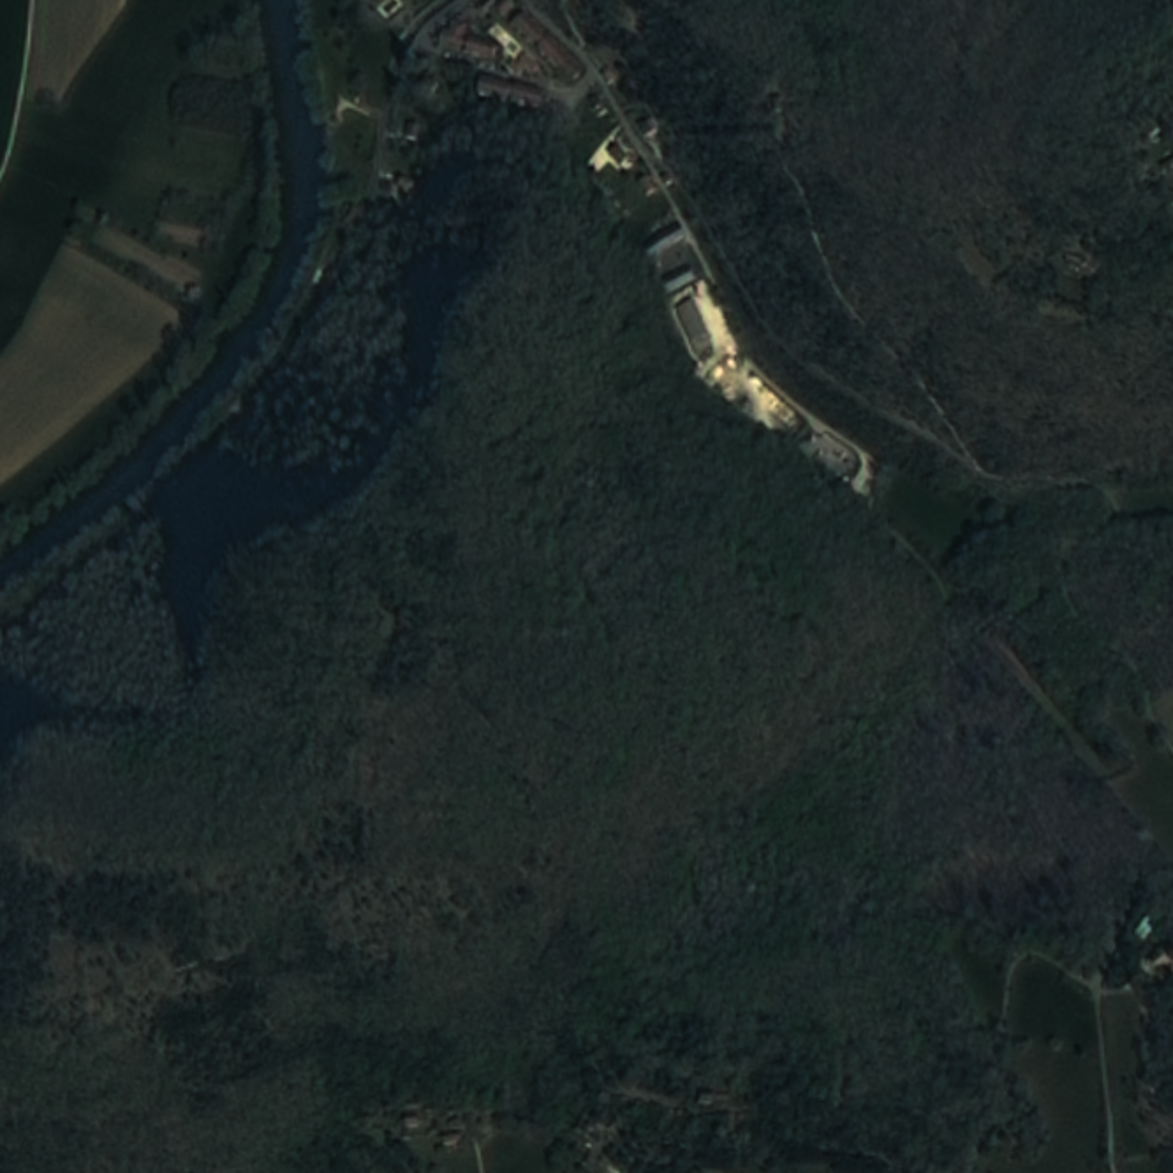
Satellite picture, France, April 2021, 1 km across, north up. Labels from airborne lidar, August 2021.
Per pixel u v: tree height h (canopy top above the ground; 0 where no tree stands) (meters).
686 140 13
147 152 0
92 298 0
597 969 10
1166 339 10
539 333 20
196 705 20
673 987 15
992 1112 23
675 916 23
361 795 10
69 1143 12
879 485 17
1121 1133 7
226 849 13
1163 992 17
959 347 15
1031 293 7
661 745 17
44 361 0
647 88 12
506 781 10
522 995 15
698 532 17
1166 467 12
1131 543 19
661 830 18
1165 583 15
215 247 11
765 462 20
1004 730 19
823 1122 15
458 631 19
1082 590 14
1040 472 13
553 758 14
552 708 18
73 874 11
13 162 0
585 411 18
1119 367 10
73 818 16
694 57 11
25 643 15
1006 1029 6
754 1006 17
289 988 16
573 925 9
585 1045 10
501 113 20
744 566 15
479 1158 0
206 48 27
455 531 20
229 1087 16
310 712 17
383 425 22
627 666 20
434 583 14
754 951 18
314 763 15
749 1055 17
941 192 13
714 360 0
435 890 8
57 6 0
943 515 0
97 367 0
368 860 7
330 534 14
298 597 14
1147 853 18
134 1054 11
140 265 10
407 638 12
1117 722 0
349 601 13
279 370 13
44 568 19
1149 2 15
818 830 17
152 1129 10
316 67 13
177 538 15
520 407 22
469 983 17
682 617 17
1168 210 13
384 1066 12
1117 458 14
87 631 22
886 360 13
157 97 0
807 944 20
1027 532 16
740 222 14
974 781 20
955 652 20
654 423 22
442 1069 15
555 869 7
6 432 0
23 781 6
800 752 16
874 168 12
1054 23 15
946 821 15
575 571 21
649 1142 7
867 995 18
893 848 20
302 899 9
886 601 13
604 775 17
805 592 16
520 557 19
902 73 14
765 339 9
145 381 0
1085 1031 0
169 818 14
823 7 20
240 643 10
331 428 16
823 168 11
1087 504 19
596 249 20
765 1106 13
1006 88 12
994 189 11
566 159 21
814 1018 18
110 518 18
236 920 11
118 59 0
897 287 13
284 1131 14
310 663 16
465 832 12
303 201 0
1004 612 20
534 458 21
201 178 0
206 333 37
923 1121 10
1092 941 20
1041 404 13
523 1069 14
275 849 12
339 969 13
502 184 9
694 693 17
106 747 15
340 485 19
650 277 20
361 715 11
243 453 21
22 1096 12
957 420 10
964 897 11
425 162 20
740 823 22
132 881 11
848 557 15
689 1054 13
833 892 20
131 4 0
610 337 16
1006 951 16
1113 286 10
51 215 0
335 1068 11
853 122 17
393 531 10
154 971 8
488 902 11
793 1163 10
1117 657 15
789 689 19
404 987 14
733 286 8
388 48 0
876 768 19
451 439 16
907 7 11
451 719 13
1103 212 10
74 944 7
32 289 0
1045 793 19
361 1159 16
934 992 17
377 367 11
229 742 20
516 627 20
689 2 11
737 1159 18
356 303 23
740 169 11
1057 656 20
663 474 20
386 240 20
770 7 17
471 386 18
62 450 0
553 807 10
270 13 0
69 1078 13
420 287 13
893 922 20
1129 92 12
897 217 14
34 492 0
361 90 12
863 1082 16
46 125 0
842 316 12
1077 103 14
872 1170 11
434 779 14
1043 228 12
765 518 18
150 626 19
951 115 14
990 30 13
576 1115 9
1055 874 8
